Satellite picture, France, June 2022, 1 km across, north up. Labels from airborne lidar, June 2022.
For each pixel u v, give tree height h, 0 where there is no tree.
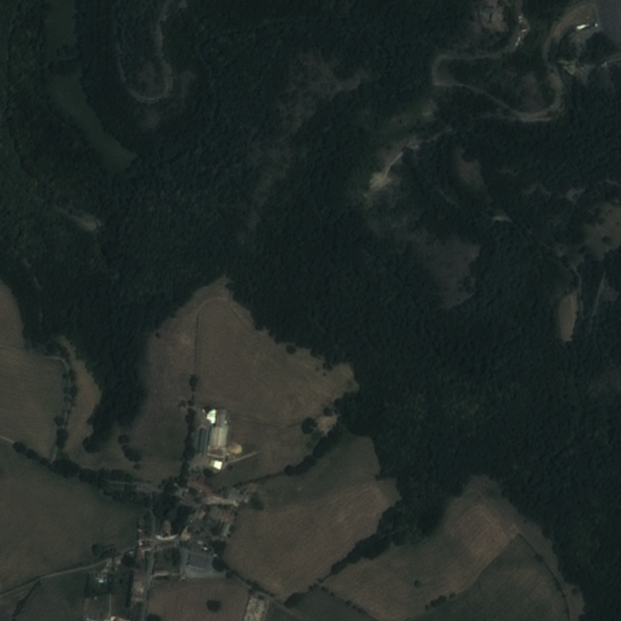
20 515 0
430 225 10
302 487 0
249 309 10
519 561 0
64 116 8
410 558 0
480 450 17
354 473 0
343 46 23
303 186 11
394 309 26
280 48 22
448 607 0
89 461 0
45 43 21
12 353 0
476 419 21
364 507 0
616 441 18
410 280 22
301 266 21
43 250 12
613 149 13
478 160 9
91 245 14
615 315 14
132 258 23
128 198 11
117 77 14
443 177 12
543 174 13
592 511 19
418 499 14
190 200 17
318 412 0
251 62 23
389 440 16
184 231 15
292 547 0
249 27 12
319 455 17
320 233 26
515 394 16
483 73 9
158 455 0
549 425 29
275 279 15
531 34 6
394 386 16
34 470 0
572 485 9
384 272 9
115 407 20
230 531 8
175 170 22
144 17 11
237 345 0
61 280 17
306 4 15
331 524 0
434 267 0
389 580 0
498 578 0
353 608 8
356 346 17
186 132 21
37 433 0
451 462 20
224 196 16
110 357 11
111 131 19
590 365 16
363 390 10
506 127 12
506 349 14
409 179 7
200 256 12
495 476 14
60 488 0
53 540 0
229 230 14
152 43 10
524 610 0
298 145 13
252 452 0
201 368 0
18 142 18
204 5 21
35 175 21
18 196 18
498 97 10
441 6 6
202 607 0
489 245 19
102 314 13
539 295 21
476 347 22
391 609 0
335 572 14
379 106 15
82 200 15
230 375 0
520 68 8
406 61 14
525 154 16
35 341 13
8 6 9
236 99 24
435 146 10
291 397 0
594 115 9
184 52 6
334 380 0
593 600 16
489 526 0
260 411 0
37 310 17
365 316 10
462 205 8
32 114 14
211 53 19
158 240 15
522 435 18
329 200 14
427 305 13
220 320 0
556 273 7
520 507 12
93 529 0
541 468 12
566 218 7
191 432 9
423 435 24
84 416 0
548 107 9
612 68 6
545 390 9
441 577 0
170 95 8
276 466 0
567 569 11
